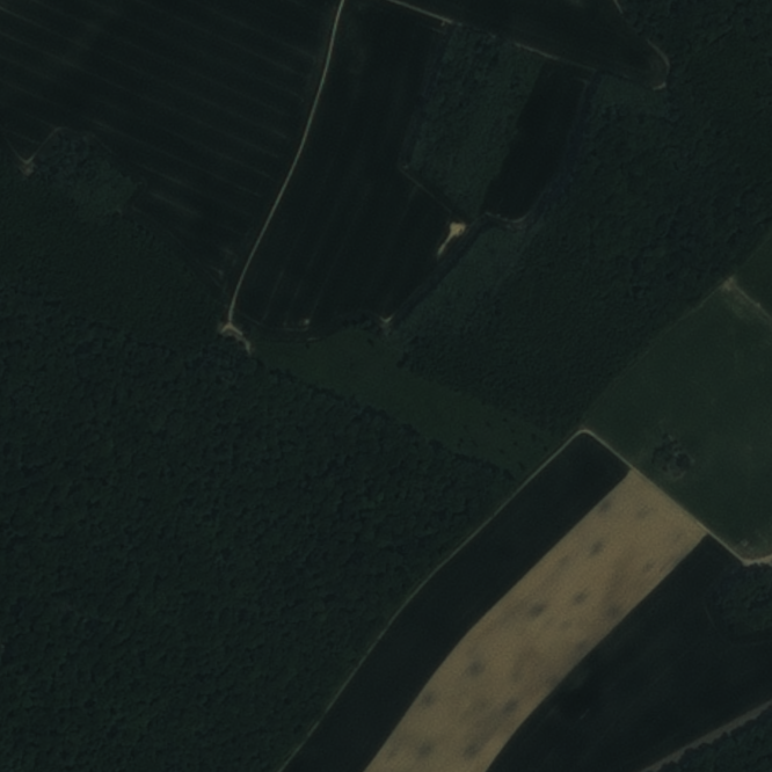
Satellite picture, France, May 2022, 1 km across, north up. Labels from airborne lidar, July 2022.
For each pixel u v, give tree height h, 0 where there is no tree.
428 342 16
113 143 0
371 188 0
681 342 0
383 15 0
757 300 0
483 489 27
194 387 28
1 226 14
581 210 28
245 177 0
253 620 28
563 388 17
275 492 28
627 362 15
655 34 26
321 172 0
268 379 23
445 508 26
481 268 19
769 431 0
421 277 0
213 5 0
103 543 22
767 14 23
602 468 0
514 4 0
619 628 0
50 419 26
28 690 25
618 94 22
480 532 0
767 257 0
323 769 0
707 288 30
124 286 13
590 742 0
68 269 13
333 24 0
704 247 34
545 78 0
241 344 10
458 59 22
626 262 31
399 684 0
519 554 0
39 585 29
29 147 0
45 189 14
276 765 20
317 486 29
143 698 24
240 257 0
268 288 0
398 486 25
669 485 0
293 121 0
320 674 26
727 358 0
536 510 0
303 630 30
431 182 15
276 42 0
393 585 27
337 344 0
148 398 31
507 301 16
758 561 0
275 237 0
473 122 23
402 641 0
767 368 0
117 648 26
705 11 27
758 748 23
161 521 21
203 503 24
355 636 24
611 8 0
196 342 13
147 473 25
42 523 26
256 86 0
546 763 0
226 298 0
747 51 7
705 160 24
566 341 18
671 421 0
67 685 26
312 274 0
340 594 30
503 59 24
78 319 17
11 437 31
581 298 17
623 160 28
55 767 27
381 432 28
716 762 21
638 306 16
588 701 0
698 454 0
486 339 15
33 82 0
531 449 0
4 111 0
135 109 0
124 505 26
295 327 0
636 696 0
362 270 0
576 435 0
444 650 0
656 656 0
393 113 0
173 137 0
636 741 0
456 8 0
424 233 0
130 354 24
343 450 27
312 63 0
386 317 0
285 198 0
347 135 0
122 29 0
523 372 19
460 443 0
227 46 0
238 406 24
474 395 18
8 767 21
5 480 31
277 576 23
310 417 27
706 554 0
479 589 0
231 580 24
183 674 19
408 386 0
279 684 27
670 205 24
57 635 25
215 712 28
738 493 0
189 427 30
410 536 26
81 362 23
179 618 26
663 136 26
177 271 13
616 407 0
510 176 0
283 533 25
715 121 10
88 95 0
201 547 25
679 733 0
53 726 26
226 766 24
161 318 14
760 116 7
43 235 14
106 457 27
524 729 0
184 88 0
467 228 0
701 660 0
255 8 0
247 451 24
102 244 15
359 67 0
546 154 0
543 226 16
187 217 0
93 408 26
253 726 23
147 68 0
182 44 0
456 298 15
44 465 32
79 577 26
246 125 0
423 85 0
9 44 0
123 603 24
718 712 0
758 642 0
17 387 21
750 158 12
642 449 0
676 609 0
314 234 0
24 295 20
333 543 33
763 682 0
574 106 0
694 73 7
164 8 0
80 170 18
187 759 22
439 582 0
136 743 18
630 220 25
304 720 27
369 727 0
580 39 0
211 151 0
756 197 27
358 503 29
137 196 0
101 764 20
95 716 28
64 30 0
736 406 0
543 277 17
